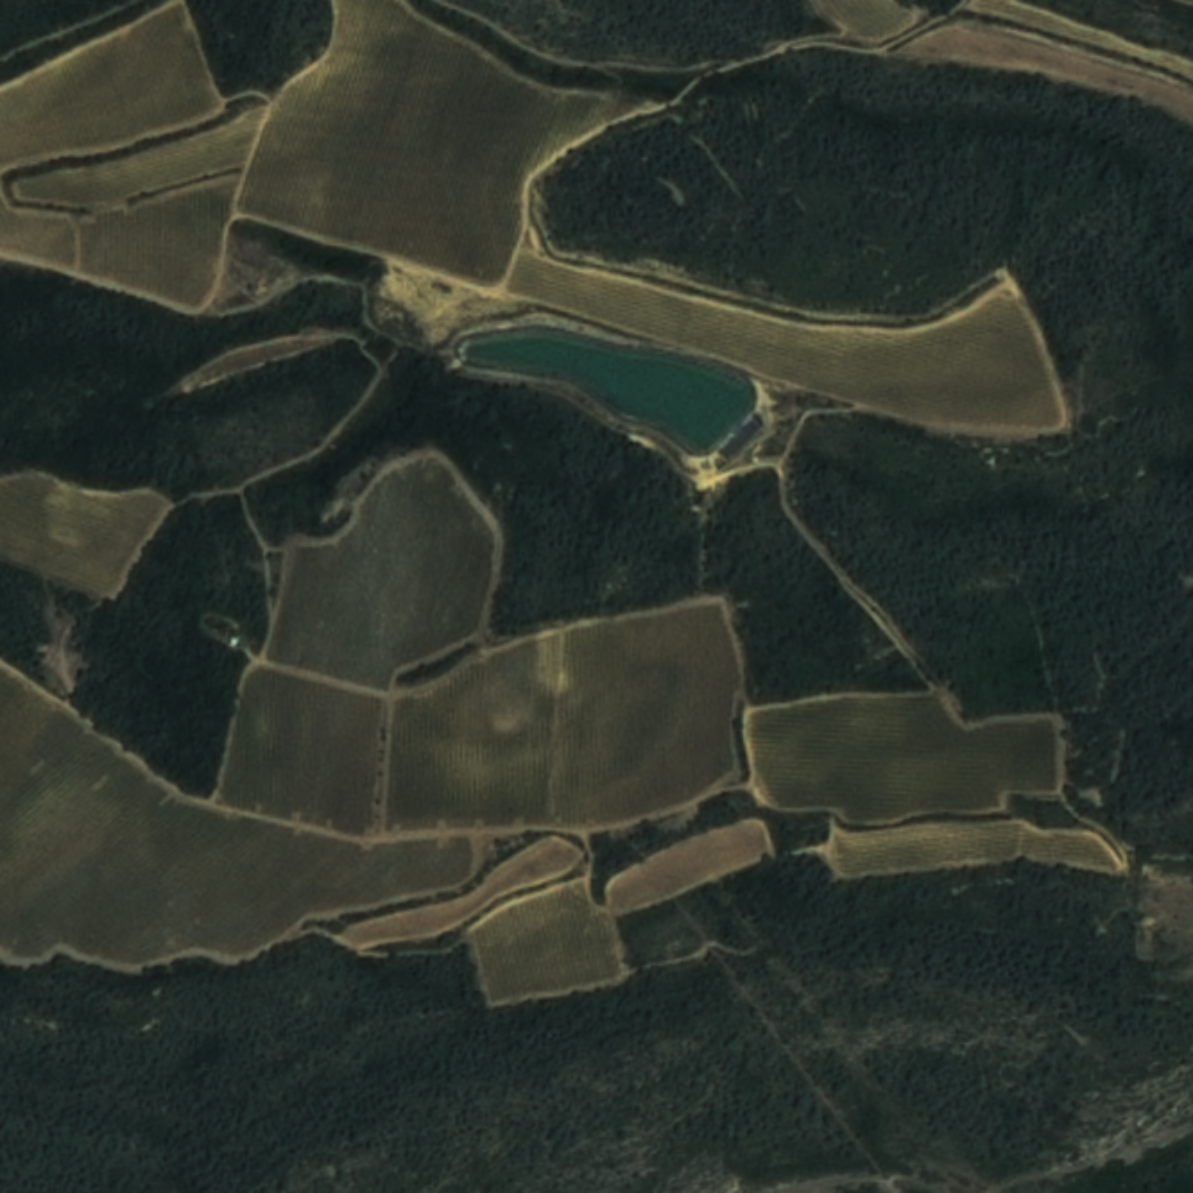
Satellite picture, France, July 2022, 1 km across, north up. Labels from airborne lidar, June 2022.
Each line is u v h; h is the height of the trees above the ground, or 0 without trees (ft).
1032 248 29
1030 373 0
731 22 28
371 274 0
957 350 0
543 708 0
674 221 30
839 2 0
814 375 0
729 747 0
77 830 0
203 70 0
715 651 0
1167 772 40
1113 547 33
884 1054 25
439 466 0
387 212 0
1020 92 42
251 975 30
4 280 20
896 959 41
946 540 28
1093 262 37
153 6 21
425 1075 36
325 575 0
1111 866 0
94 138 0
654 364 0
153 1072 41
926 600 34
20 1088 31
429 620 0
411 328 0
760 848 0
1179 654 41
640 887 0
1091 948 27
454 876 0
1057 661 25
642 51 28
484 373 0
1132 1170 20
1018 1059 27
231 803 0
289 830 0
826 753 0
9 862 0
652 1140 24
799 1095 32
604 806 0
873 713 0
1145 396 0
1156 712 42
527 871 0
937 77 25
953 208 42
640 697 0
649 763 0
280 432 0
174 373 35
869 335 0
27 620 22
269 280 0
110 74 0
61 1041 22
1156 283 43
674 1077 41
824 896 35
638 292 0
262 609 25
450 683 0
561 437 48
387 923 0
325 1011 22
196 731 31
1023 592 24
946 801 0
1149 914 0
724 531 30
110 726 42
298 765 0
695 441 0
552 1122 24
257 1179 35
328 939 24
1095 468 30
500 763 0
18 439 34
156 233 0
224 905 0
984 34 0
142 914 0
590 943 0
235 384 22
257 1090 42
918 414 0
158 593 31
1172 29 0
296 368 29
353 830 0
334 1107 43
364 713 0
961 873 20
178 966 21
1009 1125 38
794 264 0
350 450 34
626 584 23
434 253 0
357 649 0
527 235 0
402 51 0
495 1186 44
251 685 0
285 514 19
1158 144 32
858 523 20
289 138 0
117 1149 27
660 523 28
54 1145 35
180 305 0
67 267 0
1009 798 0
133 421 23
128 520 0
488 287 0
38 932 0
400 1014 41
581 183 25
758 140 22
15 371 27
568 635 0
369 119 0
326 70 0
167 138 26
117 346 23
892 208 36
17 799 0
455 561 0
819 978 34
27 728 0
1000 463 32
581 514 38
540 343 0
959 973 49
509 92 0
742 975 37
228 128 0
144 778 0
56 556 0
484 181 0
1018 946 47
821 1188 0
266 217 0
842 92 36
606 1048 37
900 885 26
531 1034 39
